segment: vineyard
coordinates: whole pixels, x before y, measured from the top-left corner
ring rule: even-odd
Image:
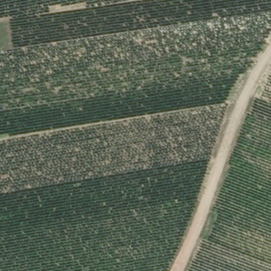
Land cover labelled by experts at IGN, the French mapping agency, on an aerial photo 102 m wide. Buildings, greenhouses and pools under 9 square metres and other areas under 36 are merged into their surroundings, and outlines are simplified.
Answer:
[[[184,271],[271,271],[271,73],[263,94],[259,98],[250,97],[245,111],[246,118],[236,132],[237,139],[232,142],[233,151],[229,161],[224,163],[210,212],[205,218]]]
[[[239,74],[251,69],[253,58],[265,50],[266,38],[271,32],[271,0],[0,0],[0,271],[169,271],[199,204],[198,196],[206,167],[211,160],[212,148],[228,107],[225,101],[228,100],[230,90]]]

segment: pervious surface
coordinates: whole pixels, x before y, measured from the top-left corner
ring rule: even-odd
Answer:
[[[198,196],[199,204],[169,271],[184,271],[205,218],[210,212],[224,163],[229,161],[233,151],[232,142],[237,139],[236,132],[246,118],[245,111],[250,97],[259,98],[263,94],[271,73],[271,32],[266,38],[265,50],[253,58],[251,69],[239,74],[230,90],[228,100],[225,101],[228,107],[212,148],[211,160],[206,167]]]

